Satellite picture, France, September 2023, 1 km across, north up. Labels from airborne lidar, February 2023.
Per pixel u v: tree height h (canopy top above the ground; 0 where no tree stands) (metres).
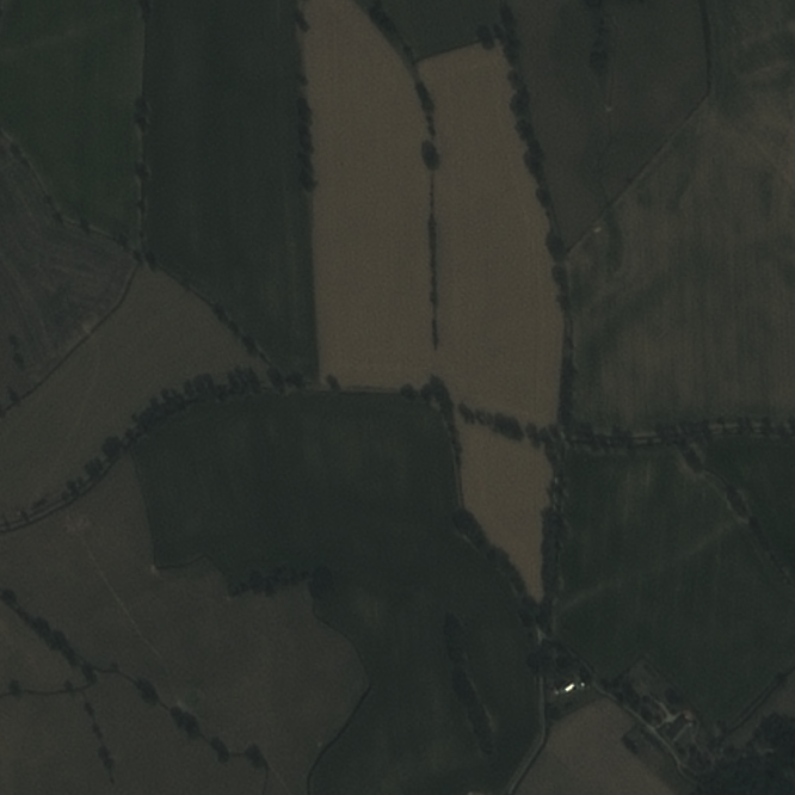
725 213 0
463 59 0
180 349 0
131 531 0
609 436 0
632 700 12
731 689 0
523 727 0
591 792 0
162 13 0
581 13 0
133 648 0
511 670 0
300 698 0
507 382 0
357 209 0
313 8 0
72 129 0
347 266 0
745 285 0
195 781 0
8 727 0
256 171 0
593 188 0
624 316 0
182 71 0
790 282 0
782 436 14
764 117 0
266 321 0
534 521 0
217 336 0
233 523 0
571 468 0
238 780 0
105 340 0
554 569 15
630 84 0
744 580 0
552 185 0
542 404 0
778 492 0
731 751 9
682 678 0
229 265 0
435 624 0
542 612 15
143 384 0
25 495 0
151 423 15
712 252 0
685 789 0
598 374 0
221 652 0
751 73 0
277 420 0
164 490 0
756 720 0
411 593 0
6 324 0
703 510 0
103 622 0
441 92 0
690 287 0
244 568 0
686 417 0
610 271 0
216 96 0
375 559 0
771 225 0
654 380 0
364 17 0
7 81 0
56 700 0
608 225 0
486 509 0
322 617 0
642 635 0
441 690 0
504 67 0
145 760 0
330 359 0
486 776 0
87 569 0
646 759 0
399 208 0
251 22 0
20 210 0
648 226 0
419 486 0
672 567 0
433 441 0
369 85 0
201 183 0
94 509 0
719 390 0
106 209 0
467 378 0
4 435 0
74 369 0
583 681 10
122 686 0
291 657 0
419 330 0
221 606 0
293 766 0
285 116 0
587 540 0
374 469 0
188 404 6
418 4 0
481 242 0
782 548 0
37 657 0
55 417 0
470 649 0
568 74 0
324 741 0
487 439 0
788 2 0
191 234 0
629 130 0
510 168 0
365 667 0
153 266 12
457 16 0
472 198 0
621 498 0
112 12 0
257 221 0
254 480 0
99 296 0
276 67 0
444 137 0
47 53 0
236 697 0
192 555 0
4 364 0
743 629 0
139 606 0
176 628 0
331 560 0
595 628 0
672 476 0
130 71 0
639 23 0
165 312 0
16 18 0
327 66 0
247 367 0
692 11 0
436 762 0
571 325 0
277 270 0
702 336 0
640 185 0
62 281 0
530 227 0
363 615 0
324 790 0
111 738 0
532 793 0
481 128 0
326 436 0
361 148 0
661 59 0
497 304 0
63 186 0
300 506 0
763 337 0
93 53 0
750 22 0
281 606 0
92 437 0
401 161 0
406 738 0
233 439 0
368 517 0
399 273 0
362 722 0
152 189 0
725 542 0
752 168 0
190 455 0
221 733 0
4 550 0
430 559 0
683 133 0
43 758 0
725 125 0
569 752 0
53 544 0
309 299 0
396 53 0
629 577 0
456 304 0
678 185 0
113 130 0
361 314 0
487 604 0
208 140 0
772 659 0
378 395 0
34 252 0
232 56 0
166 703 0
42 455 0
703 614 0
